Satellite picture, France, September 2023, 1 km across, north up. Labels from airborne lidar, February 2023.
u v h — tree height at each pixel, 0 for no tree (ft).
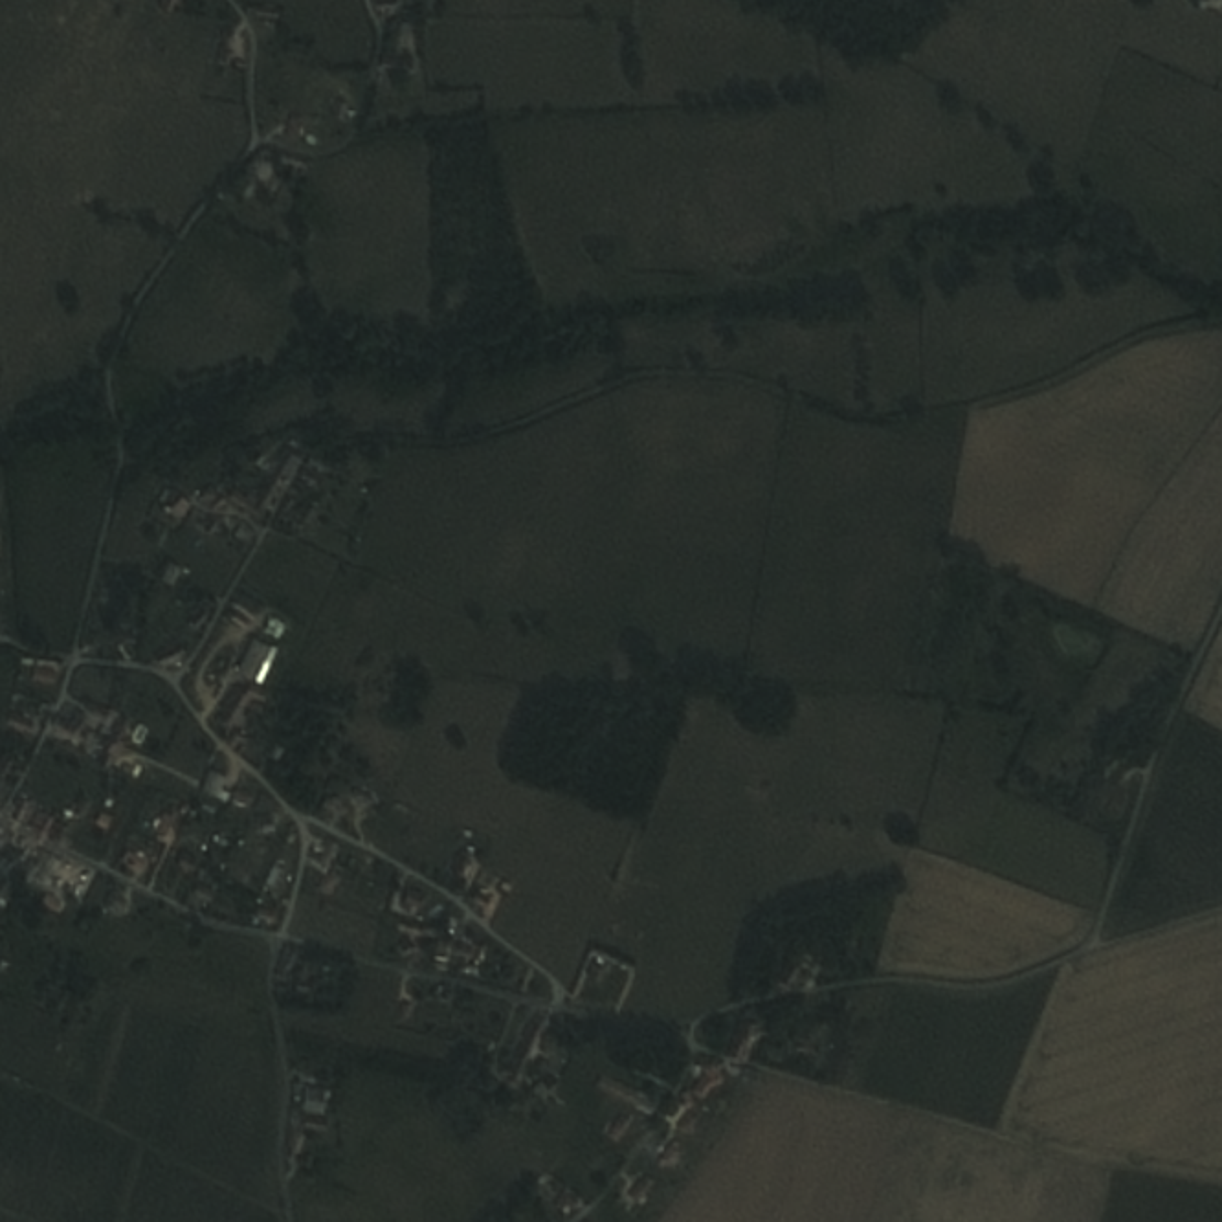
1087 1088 0
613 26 0
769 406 0
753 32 0
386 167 0
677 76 0
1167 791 0
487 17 0
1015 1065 0
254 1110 0
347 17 0
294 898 0
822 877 0
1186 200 0
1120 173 0
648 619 0
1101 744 40
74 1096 0
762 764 0
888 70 0
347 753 23
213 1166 0
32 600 0
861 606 0
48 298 0
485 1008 0
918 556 0
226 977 0
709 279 0
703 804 0
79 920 22
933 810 0
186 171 0
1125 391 0
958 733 0
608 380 26
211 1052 0
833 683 0
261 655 0
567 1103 0
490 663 0
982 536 0
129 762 0
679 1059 41
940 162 0
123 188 0
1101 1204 0
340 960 39
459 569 0
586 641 0
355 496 0
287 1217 0
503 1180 0
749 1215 0
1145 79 0
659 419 0
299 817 0
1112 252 29
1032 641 0
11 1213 0
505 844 0
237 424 0
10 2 0
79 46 0
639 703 57
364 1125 0
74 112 0
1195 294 53
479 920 0
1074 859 0
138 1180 0
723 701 52
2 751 22
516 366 75
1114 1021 0
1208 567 0
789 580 0
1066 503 0
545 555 0
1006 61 0
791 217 0
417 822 0
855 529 0
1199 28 0
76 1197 0
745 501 0
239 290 0
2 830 0
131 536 0
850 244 0
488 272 50
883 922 0
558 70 0
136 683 0
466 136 39
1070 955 0
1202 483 0
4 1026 0
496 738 0
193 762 0
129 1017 0
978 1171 0
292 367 30
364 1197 0
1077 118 0
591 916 0
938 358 0
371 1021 0
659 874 0
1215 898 0
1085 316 0
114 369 0
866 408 54
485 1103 55
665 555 0
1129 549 0
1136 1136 0
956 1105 0
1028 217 42
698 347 0
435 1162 0
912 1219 0
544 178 0
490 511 0
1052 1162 0
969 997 0
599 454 0
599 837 0
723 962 0
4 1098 0
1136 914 0
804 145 0
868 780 0
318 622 0
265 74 0
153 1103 0
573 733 56
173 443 26
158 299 0
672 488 0
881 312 0
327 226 0
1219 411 0
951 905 0
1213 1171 0
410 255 0
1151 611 0
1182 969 0
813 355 0
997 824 0
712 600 0
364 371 44
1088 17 0
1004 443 0
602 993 0
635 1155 0
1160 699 37
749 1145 0
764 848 0
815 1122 0
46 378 0
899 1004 0
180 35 0
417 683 31
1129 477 0
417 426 0
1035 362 0
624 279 0
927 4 71
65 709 0
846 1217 0
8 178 0
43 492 0
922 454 0
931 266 0
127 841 0
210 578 0
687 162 0
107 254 0
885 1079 0
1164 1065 0
